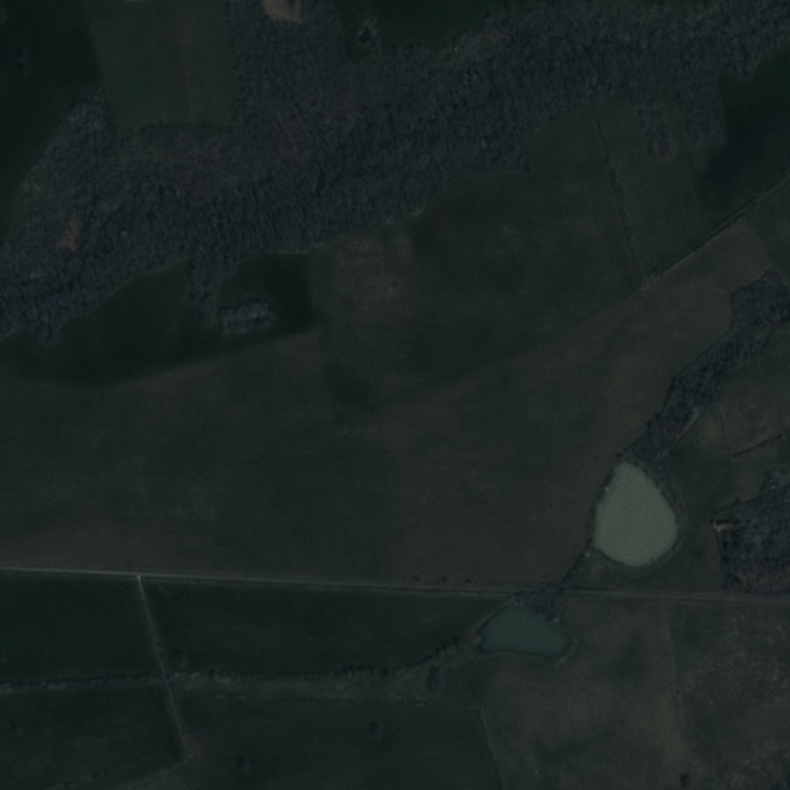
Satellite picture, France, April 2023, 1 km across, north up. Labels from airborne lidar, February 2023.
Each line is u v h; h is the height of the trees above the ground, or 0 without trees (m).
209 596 0
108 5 0
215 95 0
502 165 10
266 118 18
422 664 6
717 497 0
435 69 12
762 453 0
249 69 11
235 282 0
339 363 0
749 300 9
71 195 21
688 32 23
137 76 0
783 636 0
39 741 0
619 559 0
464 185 0
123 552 0
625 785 0
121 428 0
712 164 0
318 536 0
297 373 0
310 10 10
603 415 0
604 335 0
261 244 18
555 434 0
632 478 0
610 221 0
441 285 0
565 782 0
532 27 13
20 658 0
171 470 0
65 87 0
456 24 0
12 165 0
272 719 0
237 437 0
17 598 0
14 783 0
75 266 24
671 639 0
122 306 0
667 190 0
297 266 0
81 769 0
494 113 20
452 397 0
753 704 0
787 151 0
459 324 0
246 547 0
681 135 0
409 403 0
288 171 24
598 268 0
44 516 0
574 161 0
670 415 10
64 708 0
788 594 8
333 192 19
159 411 0
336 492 0
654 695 0
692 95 7
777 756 0
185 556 0
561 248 0
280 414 0
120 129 0
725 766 0
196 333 0
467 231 0
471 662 0
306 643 0
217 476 0
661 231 0
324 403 0
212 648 0
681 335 0
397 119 24
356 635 0
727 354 14
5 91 0
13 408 0
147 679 7
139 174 14
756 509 5
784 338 0
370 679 9
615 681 0
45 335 15
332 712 0
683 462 0
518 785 0
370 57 10
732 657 0
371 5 0
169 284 0
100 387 0
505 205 0
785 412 0
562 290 0
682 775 0
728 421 0
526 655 0
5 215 0
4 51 0
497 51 9
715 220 0
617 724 0
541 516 0
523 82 25
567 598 12
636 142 0
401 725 0
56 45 0
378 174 18
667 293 0
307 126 18
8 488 0
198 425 0
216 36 0
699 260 0
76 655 0
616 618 0
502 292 0
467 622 0
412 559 0
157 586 0
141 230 22
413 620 0
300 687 0
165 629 0
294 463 0
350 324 0
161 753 0
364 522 0
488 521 0
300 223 26
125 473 0
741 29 26
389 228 0
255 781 0
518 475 0
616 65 24
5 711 0
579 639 0
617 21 15
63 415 0
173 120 0
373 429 0
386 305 0
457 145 19
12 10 0
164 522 0
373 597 0
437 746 0
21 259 14
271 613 0
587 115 0
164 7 0
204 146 14
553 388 0
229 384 0
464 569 0
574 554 0
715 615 0
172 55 0
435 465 0
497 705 0
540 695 0
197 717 0
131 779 0
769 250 0
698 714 0
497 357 0
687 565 0
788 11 10
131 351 0
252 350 0
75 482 0
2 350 0
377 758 0
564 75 27
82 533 0
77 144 6
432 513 0
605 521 0
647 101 10
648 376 0
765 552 9
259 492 0
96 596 0
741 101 0
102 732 0
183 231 19
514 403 0
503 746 0
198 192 23
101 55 0
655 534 0
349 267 0
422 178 17
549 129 0
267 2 0
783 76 0
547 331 0
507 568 0
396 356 0
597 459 0
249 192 20
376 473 0
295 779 0
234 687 0
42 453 0
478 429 0
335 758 0
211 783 0
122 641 0
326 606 0
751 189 0
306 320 0
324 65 13
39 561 0
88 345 0
